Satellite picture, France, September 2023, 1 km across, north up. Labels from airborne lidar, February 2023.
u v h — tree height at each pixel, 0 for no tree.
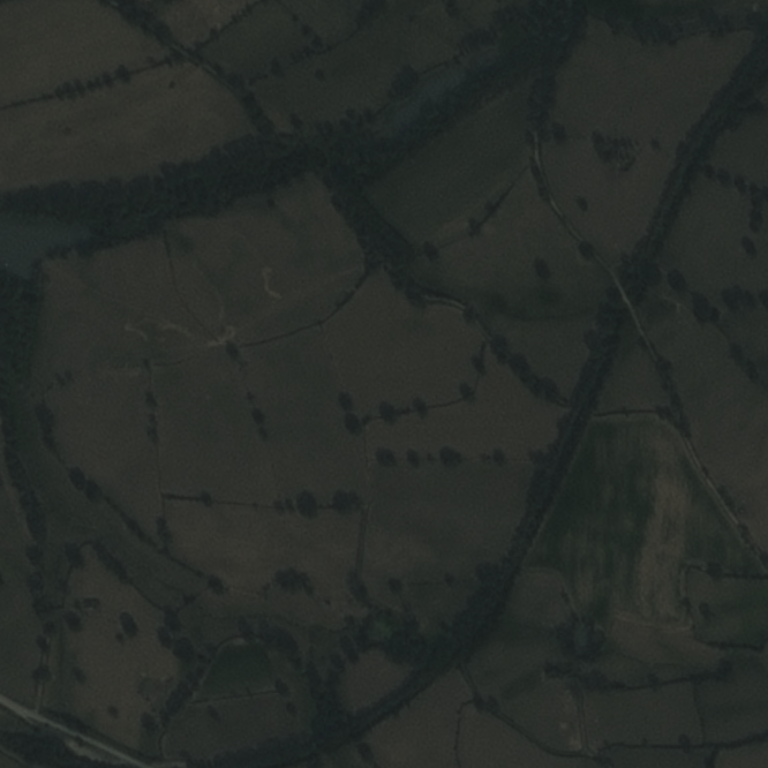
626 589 0
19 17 0
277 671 0
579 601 0
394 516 0
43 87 0
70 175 0
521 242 0
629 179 0
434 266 0
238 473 0
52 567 0
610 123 0
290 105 0
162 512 0
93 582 0
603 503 0
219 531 0
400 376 0
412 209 0
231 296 0
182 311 0
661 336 0
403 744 0
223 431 0
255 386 0
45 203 13
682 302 0
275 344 0
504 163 0
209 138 0
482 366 13
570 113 0
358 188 12
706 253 0
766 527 0
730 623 0
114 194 17
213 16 0
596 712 0
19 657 0
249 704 0
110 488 0
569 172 0
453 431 0
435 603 0
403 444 0
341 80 0
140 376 0
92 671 0
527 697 0
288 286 0
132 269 0
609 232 0
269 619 0
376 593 0
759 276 0
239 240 0
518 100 0
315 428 0
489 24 0
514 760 0
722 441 0
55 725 0
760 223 8
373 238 10
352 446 0
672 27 0
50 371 0
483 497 0
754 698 0
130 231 8
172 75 0
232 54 0
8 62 0
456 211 0
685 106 0
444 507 0
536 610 0
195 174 8
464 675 10
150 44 0
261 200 0
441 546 0
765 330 0
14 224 0
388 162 13
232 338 0
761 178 0
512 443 0
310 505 18
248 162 24
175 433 0
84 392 0
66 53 0
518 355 0
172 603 0
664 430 0
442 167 0
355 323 0
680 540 0
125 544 0
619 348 8
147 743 0
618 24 20
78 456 0
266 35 0
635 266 8
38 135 0
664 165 0
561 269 0
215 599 0
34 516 17
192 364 0
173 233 0
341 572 0
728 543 0
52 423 7
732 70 0
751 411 0
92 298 0
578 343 0
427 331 0
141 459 0
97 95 0
